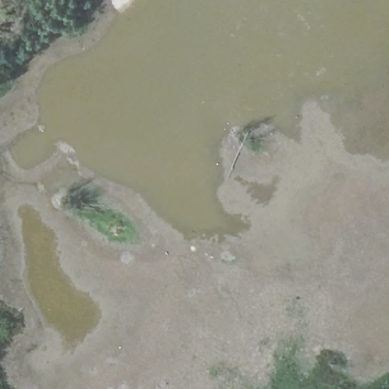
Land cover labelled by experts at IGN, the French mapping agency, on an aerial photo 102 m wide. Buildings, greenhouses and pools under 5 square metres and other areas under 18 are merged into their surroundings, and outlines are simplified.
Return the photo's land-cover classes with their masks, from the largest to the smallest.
<instances>
[{"label":"pervious surface","instance_id":"1","mask_svg":"<svg viewBox=\"0 0 389 389\"><path fill-rule=\"evenodd\" d=\"M131 0H105V11L103 14L94 12V21L88 24L85 33L76 38L61 36L53 41L52 46L44 50L43 55H36L32 59L26 73L14 79L11 90L0 97V301L5 302L8 308H15L24 316V328L21 333L12 337L11 345L6 348V356L2 360L6 381L11 389H266L270 383V374L293 362L299 363V374L308 377L310 371L315 368L316 357L322 349H333L345 356L346 366L333 363L330 368L349 375L360 389H389V164L371 153H362L363 160L369 161L374 167H369L366 172H360L349 170L330 157L327 166L322 169L321 181L299 188L293 194V198H290V223L283 231L267 234L260 226L251 225L249 229L239 232L236 236H226L223 243H219V236H211L207 240H185L181 232L176 231L147 205L141 194L109 179L99 178L93 170L82 166L70 144L58 143V149L49 160L30 170L21 169L12 158L11 150L20 144L15 138L17 134L26 129L40 128V111L36 105L38 99L35 91L44 71L53 62L62 61L71 53L85 52L88 47L97 43L100 36L105 33L106 26L120 14L119 9L128 5ZM90 178L91 184L87 190L99 188L100 196L97 202L103 210H114L115 213L123 214L125 219L134 223L137 231V239L132 243L109 242L102 232L96 228L90 229V220L77 216L73 208L64 207L62 204L55 207L52 202L53 196L59 190H70L71 185L77 184L81 179ZM272 117L267 115L252 120L237 132L240 143L246 144L254 152L263 149L266 144L275 143L278 129L269 125Z\"/></svg>","mask_w":389,"mask_h":389},{"label":"water","instance_id":"2","mask_svg":"<svg viewBox=\"0 0 389 389\"><path fill-rule=\"evenodd\" d=\"M120 14L106 26L105 33L100 36L97 43L88 47L85 52L71 53L62 61L53 62L44 71L35 91L38 99L36 105L40 111V128L26 129L17 134L15 138L20 144L11 150L12 158L21 169L30 170L49 160L58 149V143L70 144L82 166L93 170L99 178L109 179L141 194L147 205L176 231L181 232L185 240H207L211 236H219V243H223L226 236H236L239 232L249 229L251 225L260 226L267 234L283 231L290 223V198H293V194L299 188L321 181L322 169L327 166L330 157L349 170L360 172H366L369 167H374L369 161L363 160L362 153H371L389 164V0H131L128 5L119 9ZM267 115L272 117L269 125L278 129L275 143L266 144L263 149L254 152L246 144L240 143L237 132L252 120ZM91 184L90 178L81 179L77 184L71 185L70 190H59L53 196L52 202L55 207L62 204L64 207L73 208H88L96 213H103V210L97 202L100 196L99 188L87 190Z\"/></svg>","mask_w":389,"mask_h":389},{"label":"deciduous trees","instance_id":"3","mask_svg":"<svg viewBox=\"0 0 389 389\"><path fill-rule=\"evenodd\" d=\"M105 0H24L23 6L29 8L30 14L24 15L17 40L14 43L0 40V97L11 90L14 79L26 73L32 59L36 55H43L44 50L52 46L53 41L61 36L76 38L85 33L88 24L94 21V12L103 14L105 11Z\"/></svg>","mask_w":389,"mask_h":389},{"label":"herbaceous vegetation","instance_id":"4","mask_svg":"<svg viewBox=\"0 0 389 389\"><path fill-rule=\"evenodd\" d=\"M24 0H0V40L14 43L17 40L24 15L30 14L29 8L23 6ZM77 216L90 220V229L96 228L102 232L109 242L132 243L137 239V231L134 223L125 219L123 214L115 213L114 210H103V213H96L88 208H73ZM333 363L346 366L345 356L333 349H322L316 357L315 368L310 371L308 377L299 374V363L293 362L270 374V383L266 389H360L349 375L330 368Z\"/></svg>","mask_w":389,"mask_h":389},{"label":"brushwood","instance_id":"5","mask_svg":"<svg viewBox=\"0 0 389 389\"><path fill-rule=\"evenodd\" d=\"M24 328V316L15 308H8L5 302L0 301V389H11L6 381L2 360L6 356V348L11 345L12 337L21 333Z\"/></svg>","mask_w":389,"mask_h":389}]
</instances>
